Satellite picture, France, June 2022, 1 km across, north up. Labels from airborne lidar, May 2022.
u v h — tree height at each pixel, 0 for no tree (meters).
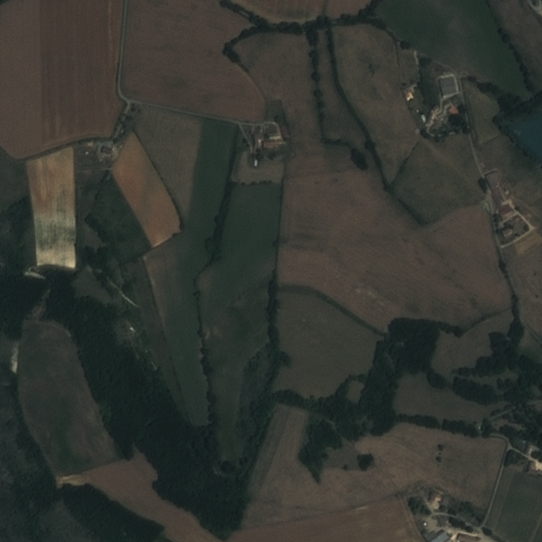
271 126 0
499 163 0
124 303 7
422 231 0
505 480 0
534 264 0
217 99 0
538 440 16
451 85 0
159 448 16
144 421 16
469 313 0
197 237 0
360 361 0
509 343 15
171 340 0
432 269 0
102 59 0
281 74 0
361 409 12
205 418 0
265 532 0
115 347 9
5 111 0
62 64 0
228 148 0
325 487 0
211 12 0
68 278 10
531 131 0
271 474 0
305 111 0
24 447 7
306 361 0
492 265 0
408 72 0
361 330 0
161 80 0
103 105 0
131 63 0
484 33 0
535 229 0
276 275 7
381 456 0
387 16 0
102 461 0
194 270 0
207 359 11
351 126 0
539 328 0
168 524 0
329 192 0
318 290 0
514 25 0
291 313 0
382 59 0
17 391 7
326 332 0
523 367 24
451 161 0
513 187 0
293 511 0
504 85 0
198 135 0
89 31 0
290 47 0
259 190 0
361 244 0
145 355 9
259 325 0
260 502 0
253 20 16
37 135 0
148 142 0
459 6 0
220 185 0
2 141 0
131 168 0
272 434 0
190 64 0
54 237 0
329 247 0
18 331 10
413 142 0
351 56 0
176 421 14
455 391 10
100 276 10
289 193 0
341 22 15
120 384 14
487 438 10
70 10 0
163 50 0
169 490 8
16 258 7
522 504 0
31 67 0
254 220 0
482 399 18
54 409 0
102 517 11
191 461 11
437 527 0
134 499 0
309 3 0
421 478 0
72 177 0
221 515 16
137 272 0
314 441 13
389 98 0
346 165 0
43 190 0
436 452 0
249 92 0
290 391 11
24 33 0
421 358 17
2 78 0
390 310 0
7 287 12
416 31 0
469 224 0
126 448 16
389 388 11
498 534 0
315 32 20
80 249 6
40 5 0
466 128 12
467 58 0
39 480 7
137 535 12
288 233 0
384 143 0
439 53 0
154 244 0
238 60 14
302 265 0
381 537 0
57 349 0
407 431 0
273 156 6
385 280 0
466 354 0
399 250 0
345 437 8
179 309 0
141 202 0
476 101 0
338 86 5
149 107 0
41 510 8
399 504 0
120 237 0
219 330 0
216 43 0
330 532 0
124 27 0
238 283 0
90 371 14
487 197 0
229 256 0
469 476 0
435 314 0
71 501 10
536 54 0
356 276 0
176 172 0
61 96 0
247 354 0
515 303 7
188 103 0
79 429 0
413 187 0
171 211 0
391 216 0
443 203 0
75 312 11
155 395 17
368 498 0
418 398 0
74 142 0
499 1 0
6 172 0
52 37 0
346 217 0
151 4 0
